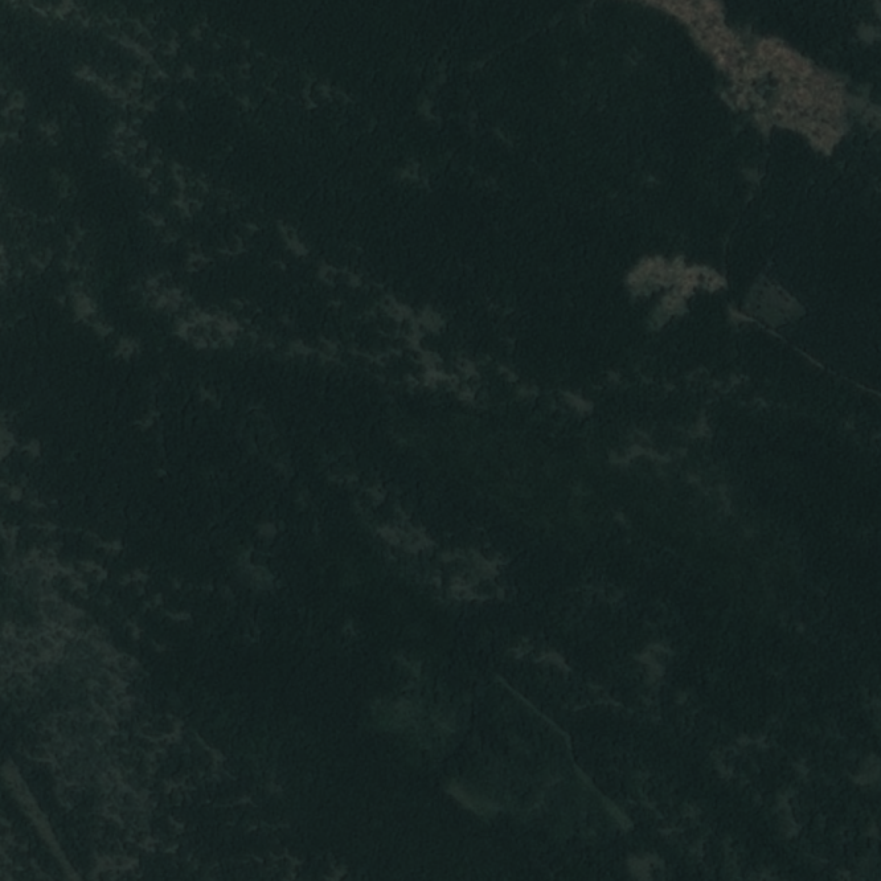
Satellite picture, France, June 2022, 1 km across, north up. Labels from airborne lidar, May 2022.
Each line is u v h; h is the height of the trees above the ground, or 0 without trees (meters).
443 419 9
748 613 7
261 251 9
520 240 8
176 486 12
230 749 8
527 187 8
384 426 11
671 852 12
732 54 8
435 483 11
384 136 11
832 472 10
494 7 7
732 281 8
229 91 7
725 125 7
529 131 7
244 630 12
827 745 8
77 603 8
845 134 7
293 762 9
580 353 9
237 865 7
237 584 9
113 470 15
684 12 12
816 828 11
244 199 8
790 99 12
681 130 12
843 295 9
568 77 7
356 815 10
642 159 7
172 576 6
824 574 6
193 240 8
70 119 8
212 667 12
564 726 11
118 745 6
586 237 9
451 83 8
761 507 7
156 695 8
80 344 11
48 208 9
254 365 12
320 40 12
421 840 9
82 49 11
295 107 9
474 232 10
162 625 7
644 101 7
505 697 9
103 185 9
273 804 8
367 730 6
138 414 10
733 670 10
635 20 7
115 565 10
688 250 6
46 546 6
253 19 10
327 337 7
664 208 7
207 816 11
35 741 9
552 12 10
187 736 8
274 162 9
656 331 7
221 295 10
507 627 10
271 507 8
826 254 7
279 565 12
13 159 8
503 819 9
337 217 9
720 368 7
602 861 8
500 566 8
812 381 8
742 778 7
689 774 12
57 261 9
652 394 6
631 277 10
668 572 8
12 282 8
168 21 9
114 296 10
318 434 7
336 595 9
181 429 11
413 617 9
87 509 11
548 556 13
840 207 11
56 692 7
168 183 7
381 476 6
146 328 12
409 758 10
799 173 10
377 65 10
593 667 11
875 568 10
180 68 8
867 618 7
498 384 9
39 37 10
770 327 12
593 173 6
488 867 9
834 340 12
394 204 8
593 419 9
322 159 9
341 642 6
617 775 8
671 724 8
